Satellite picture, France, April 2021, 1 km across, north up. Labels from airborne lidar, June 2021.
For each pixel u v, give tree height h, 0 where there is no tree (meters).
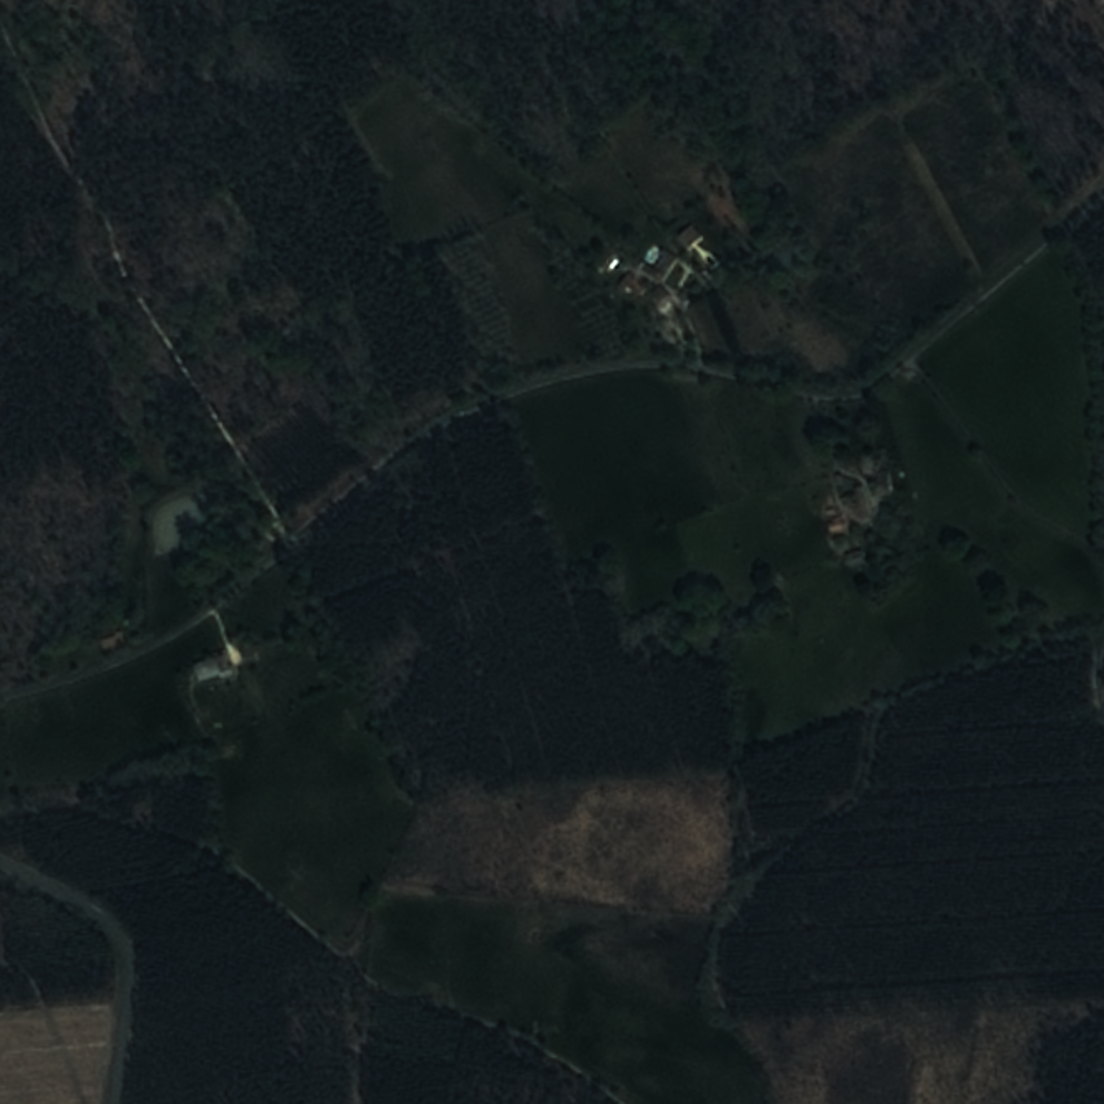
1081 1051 12
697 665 16
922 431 0
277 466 9
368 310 18
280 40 21
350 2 20
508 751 11
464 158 0
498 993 0
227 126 24
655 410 0
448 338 18
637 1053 0
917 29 17
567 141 13
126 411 19
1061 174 12
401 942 0
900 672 0
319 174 19
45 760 0
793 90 17
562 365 12
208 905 16
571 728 13
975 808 13
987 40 19
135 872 16
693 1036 0
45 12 20
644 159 0
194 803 16
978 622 0
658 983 0
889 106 19
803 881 14
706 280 13
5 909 12
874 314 8
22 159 19
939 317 13
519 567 11
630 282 0
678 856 0
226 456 15
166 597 0
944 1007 8
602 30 25
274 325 9
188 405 28
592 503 0
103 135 24
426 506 17
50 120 13
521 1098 11
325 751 0
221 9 15
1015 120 18
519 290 0
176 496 0
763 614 15
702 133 18
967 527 0
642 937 0
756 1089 0
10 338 6
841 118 19
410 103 0
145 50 21
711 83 13
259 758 0
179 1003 14
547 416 0
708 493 0
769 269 12
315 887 0
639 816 0
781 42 14
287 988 16
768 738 0
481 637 10
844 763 16
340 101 22
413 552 16
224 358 11
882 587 10
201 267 13
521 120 18
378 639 14
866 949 12
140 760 13
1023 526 0
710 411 0
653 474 0
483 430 15
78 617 18
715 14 11
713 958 9
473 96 20
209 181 25
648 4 17
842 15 8
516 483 15
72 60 17
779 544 0
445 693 13
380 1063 16
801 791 16
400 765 10
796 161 15
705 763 14
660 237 0
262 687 0
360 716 0
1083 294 11
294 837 0
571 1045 0
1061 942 12
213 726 0
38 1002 16
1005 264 0
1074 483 0
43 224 17
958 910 12
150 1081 13
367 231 18
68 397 19
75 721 0
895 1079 0
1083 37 12
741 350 11
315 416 9
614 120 20
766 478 0
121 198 22
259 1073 19
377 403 23
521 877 6
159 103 12
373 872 0
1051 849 15
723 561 0
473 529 15
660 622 15
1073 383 0
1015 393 0
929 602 0
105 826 17
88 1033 0
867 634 0
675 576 0
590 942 0
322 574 15
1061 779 11
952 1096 0
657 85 27
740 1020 13
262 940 15
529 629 11
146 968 14
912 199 0
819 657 0
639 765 14
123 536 18
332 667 16
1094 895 14
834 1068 0
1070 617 0
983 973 12
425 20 20
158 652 0
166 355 14
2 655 15
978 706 11
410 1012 12
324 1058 17
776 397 15
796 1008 15
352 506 9
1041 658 14
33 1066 0
